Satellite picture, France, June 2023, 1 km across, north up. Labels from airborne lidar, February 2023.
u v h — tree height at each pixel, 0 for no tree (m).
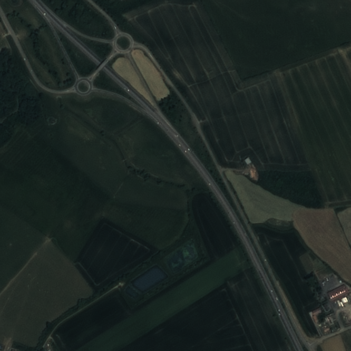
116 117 0
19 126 0
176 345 0
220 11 0
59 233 0
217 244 0
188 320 0
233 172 0
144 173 12
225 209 0
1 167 0
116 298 0
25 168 0
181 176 0
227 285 0
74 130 0
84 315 0
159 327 0
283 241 0
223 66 0
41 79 0
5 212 0
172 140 0
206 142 0
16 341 0
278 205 0
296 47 0
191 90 0
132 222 0
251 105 0
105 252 0
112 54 0
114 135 0
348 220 0
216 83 0
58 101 0
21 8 0
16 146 0
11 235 0
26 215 0
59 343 0
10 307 0
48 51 0
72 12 8
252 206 0
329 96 0
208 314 0
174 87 0
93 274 0
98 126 0
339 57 0
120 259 0
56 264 0
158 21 0
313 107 0
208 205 0
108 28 0
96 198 0
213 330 0
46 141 0
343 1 0
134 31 0
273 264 0
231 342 0
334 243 0
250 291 0
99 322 0
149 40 0
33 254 0
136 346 0
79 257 0
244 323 0
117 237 0
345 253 0
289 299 0
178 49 0
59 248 0
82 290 0
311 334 0
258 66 0
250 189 0
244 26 0
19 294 0
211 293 0
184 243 0
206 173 0
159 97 0
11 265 0
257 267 0
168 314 0
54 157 0
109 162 0
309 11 0
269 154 0
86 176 0
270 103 0
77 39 0
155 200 0
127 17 0
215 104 0
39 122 0
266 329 0
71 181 0
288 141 0
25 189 0
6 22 0
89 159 0
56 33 0
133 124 0
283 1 0
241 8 0
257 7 0
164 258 0
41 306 0
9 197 0
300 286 0
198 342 0
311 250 0
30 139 0
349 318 0
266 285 0
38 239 0
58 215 0
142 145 0
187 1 0
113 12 6
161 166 0
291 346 0
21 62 0
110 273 0
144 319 0
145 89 0
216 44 0
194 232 0
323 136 0
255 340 0
